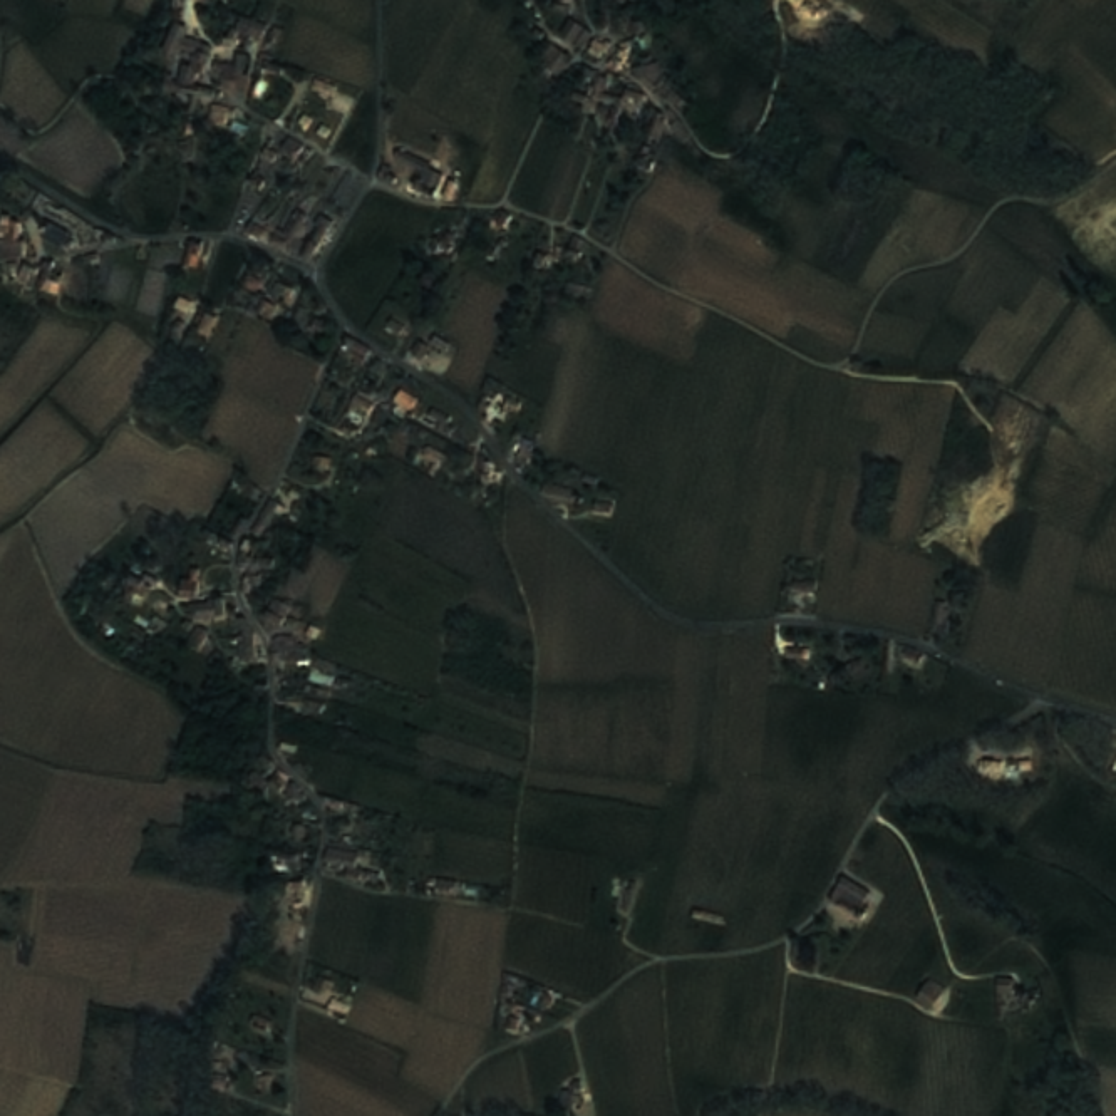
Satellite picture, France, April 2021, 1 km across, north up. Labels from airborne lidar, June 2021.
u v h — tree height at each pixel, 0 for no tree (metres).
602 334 0
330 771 0
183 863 9
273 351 0
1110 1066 0
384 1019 0
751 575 0
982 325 0
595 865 0
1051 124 0
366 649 0
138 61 12
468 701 0
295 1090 0
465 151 0
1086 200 0
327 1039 0
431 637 0
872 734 0
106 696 0
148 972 0
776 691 0
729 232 0
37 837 0
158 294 0
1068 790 0
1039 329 0
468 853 0
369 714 0
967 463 0
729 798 0
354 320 0
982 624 0
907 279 0
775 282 0
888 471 14
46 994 0
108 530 0
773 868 0
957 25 0
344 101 0
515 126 0
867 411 0
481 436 0
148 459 0
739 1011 0
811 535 0
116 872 0
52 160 0
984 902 21
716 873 0
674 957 0
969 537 0
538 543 0
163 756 0
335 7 0
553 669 0
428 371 0
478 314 0
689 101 7
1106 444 0
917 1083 0
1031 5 14
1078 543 0
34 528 0
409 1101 0
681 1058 0
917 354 0
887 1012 0
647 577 0
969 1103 0
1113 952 0
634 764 0
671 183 0
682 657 0
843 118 0
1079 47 0
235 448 0
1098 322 0
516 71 0
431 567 0
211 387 14
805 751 0
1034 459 0
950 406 0
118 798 0
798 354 0
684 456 0
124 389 0
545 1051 0
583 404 0
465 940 0
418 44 0
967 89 16
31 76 0
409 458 8
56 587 0
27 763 0
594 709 0
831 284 0
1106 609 0
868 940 0
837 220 0
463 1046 0
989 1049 0
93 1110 0
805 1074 0
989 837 27
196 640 0
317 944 0
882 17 0
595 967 0
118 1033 0
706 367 0
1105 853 0
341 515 8
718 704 0
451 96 0
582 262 9
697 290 0
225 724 10
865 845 0
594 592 0
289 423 0
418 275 10
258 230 0
